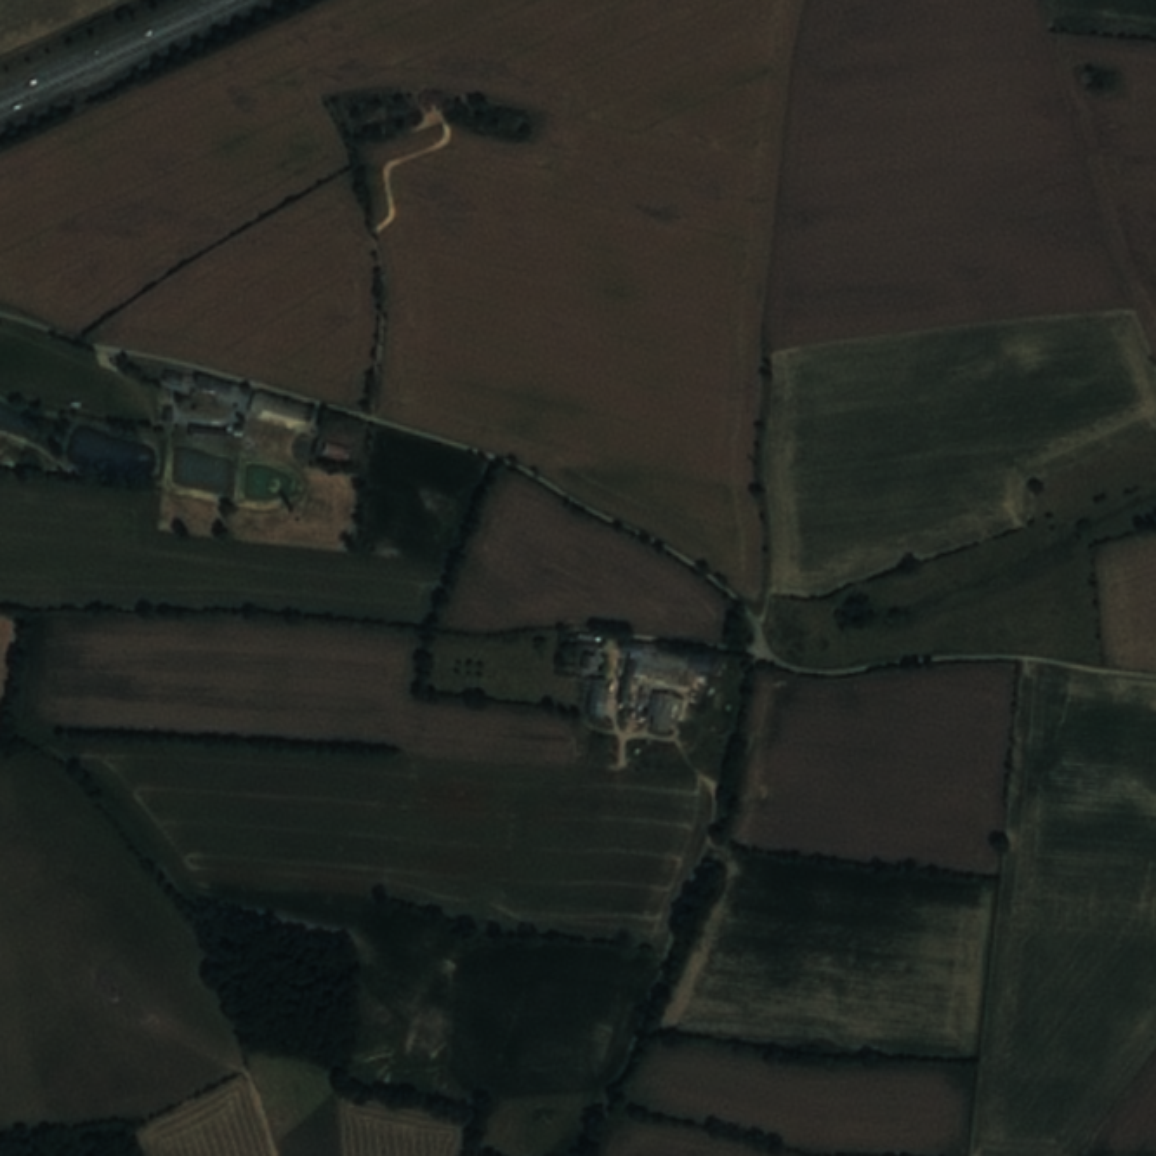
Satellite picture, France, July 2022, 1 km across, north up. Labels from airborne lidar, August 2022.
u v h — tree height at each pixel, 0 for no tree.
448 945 0
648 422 0
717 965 0
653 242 0
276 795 0
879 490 0
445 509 0
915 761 0
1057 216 0
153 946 0
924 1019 0
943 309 0
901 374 0
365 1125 0
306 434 0
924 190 0
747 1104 0
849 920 0
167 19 0
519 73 0
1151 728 0
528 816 0
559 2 0
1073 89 0
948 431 0
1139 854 0
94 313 0
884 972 0
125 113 0
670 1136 0
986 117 0
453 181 0
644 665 0
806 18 0
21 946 0
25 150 0
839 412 0
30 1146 19
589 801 0
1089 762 0
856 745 0
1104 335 0
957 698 0
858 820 0
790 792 0
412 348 0
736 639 14
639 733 0
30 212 0
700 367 0
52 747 0
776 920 0
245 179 0
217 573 0
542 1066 0
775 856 6
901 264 0
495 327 0
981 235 0
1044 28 0
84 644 0
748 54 0
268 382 0
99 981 0
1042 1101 0
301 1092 0
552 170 0
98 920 0
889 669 6
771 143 0
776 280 0
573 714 12
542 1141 0
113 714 0
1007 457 0
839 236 0
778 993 0
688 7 0
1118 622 0
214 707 0
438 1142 0
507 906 0
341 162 0
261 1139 0
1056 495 0
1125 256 0
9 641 0
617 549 0
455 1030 0
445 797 0
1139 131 0
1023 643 0
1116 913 0
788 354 0
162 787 0
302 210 0
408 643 0
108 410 0
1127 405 0
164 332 0
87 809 0
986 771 0
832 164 0
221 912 22
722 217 0
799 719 0
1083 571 0
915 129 0
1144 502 0
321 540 0
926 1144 0
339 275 0
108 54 0
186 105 0
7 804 0
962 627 0
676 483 0
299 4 11
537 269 0
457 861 0
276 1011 25
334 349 0
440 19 0
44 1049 0
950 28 0
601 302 0
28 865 0
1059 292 0
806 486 0
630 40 0
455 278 0
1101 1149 0
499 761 0
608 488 0
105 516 0
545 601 0
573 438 0
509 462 9
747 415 0
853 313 0
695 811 0
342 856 0
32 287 0
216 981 19
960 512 0
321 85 0
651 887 0
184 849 0
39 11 0
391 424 0
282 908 0
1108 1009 0
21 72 0
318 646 0
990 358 0
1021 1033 0
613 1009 0
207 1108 0
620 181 0
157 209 0
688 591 0
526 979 0
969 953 0
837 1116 0
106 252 0
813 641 0
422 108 0
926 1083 0
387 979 0
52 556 0
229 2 0
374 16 0
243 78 0
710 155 0
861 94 0
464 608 0
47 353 0
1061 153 0
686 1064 0
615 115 0
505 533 0
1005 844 14
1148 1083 0
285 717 0
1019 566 0
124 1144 17
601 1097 0
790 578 0
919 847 0
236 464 0
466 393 0
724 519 0
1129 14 0
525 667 0
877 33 0
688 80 0
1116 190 0
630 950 21
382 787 0
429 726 0
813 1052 6
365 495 19
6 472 7
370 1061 0
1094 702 0
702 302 0
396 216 0
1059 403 0
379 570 0
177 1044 0
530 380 0
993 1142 0
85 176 0
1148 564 0
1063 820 0
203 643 0
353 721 0
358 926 0
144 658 0
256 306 0
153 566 0
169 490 0
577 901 0
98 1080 0
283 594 0
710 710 0
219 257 0
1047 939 0
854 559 0
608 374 0
